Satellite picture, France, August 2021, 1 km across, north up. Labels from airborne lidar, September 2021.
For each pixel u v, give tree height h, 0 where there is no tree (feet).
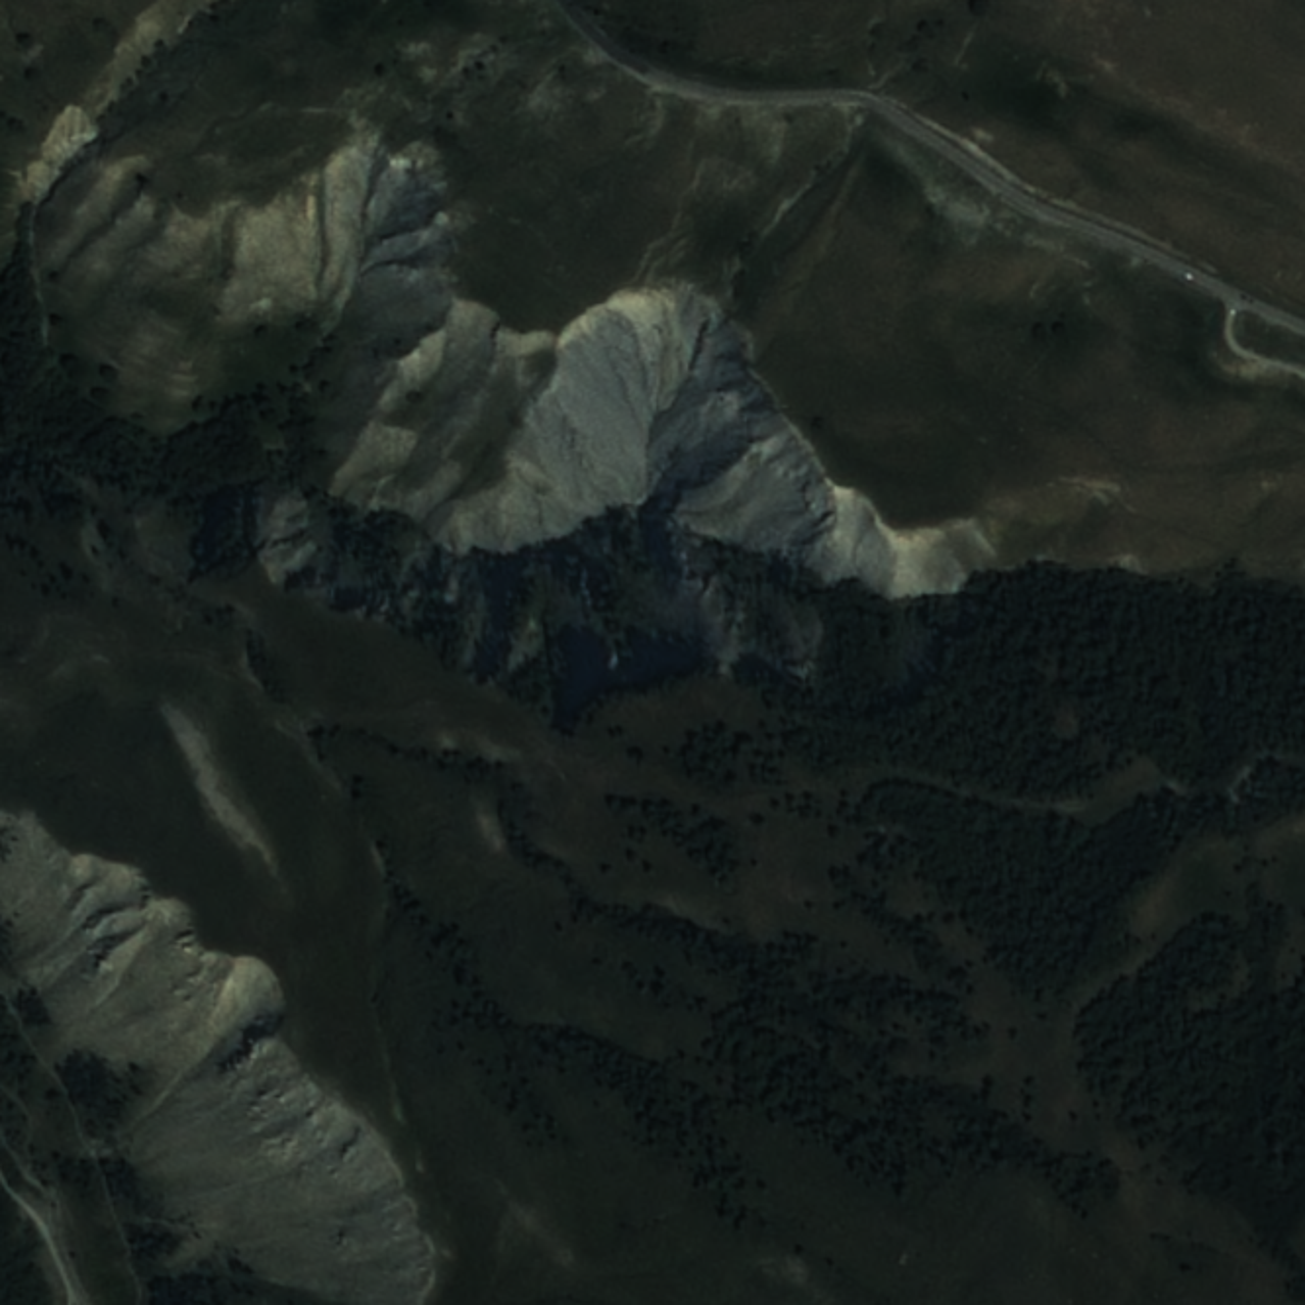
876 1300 0
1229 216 0
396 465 0
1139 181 0
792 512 0
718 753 31
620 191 0
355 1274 0
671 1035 0
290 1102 0
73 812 0
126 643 0
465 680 0
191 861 0
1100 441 0
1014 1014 0
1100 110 0
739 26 0
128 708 0
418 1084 0
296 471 57
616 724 0
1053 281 0
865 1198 0
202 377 0
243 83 0
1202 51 0
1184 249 0
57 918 0
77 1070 26
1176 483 0
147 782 0
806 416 0
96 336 0
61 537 0
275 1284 0
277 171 0
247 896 0
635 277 0
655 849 0
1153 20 0
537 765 0
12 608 0
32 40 26
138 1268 0
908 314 0
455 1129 0
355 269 0
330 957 0
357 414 0
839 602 22
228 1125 0
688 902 0
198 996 0
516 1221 0
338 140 0
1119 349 0
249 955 0
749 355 0
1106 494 0
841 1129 33
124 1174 24
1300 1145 20
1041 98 0
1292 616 24
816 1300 0
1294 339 0
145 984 0
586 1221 0
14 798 0
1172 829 22
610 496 0
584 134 0
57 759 0
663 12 0
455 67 0
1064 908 24
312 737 20
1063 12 0
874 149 0
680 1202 0
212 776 0
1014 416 0
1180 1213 0
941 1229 0
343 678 0
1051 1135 0
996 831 26
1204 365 0
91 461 58
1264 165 0
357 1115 0
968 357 0
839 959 0
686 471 0
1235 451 0
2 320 47
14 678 0
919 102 0
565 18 0
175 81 0
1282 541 0
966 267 0
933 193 0
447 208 0
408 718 0
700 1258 0
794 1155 0
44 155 0
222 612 24
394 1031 0
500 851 0
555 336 0
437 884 0
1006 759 23
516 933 0
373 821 0
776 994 30
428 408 0
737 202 0
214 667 0
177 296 0
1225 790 0
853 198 0
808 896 0
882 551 0
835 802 0
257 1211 0
